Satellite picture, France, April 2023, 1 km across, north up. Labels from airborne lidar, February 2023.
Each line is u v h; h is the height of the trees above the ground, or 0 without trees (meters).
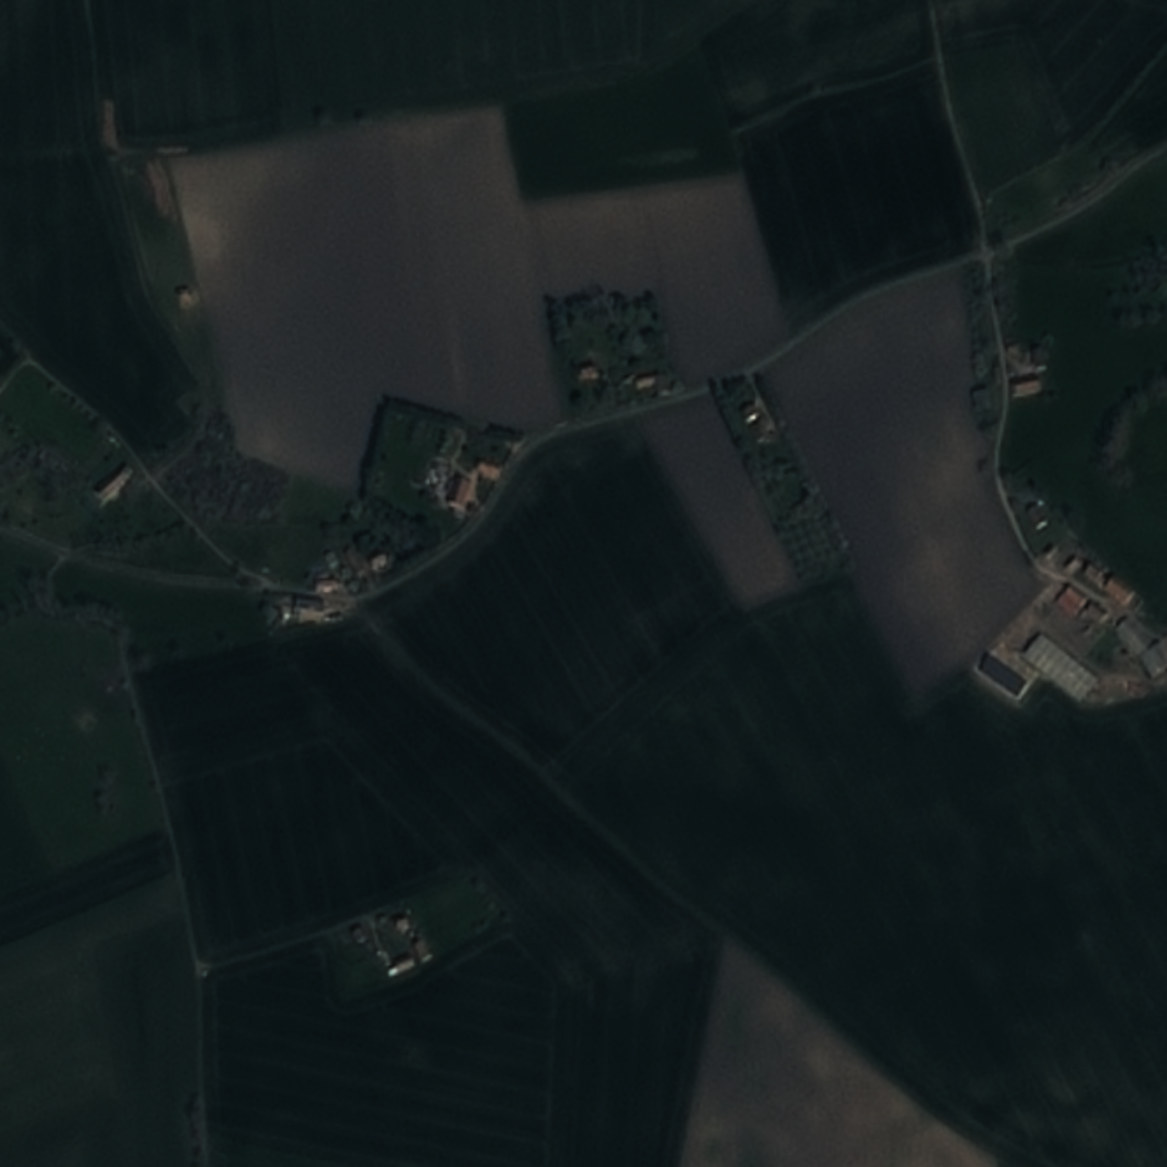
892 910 0
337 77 0
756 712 0
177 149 0
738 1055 0
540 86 0
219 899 0
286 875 0
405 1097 0
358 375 0
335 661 0
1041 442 0
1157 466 0
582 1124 0
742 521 0
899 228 0
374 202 0
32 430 0
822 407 0
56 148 0
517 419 0
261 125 0
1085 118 0
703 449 0
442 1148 0
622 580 0
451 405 0
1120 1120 0
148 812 0
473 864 0
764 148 0
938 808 0
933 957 0
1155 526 0
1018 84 0
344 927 0
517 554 0
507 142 0
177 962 0
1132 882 0
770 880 0
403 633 0
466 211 0
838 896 0
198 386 0
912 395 0
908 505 0
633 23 0
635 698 0
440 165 0
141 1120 0
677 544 0
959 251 0
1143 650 0
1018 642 0
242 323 0
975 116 0
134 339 0
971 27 0
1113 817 0
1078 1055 0
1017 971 0
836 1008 0
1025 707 0
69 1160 0
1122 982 0
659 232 0
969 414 0
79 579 0
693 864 0
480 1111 0
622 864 0
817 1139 0
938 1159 0
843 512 0
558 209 0
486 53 0
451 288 0
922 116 0
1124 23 0
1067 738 0
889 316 0
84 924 0
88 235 0
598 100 0
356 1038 0
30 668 0
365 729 0
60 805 0
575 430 0
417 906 0
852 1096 0
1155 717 0
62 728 0
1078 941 0
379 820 0
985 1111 0
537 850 0
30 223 0
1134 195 0
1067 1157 0
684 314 0
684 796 0
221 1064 0
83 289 0
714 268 0
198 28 0
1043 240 0
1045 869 0
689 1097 0
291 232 0
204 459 10
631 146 0
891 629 0
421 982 0
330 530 11
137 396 0
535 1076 0
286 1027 0
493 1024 0
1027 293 0
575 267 0
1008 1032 0
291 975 0
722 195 0
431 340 0
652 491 0
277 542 0
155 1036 0
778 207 0
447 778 0
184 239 0
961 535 0
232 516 8
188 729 0
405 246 0
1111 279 0
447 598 0
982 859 0
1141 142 0
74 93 0
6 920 0
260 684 0
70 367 0
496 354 0
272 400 0
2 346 0
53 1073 0
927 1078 0
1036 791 0
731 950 0
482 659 0
